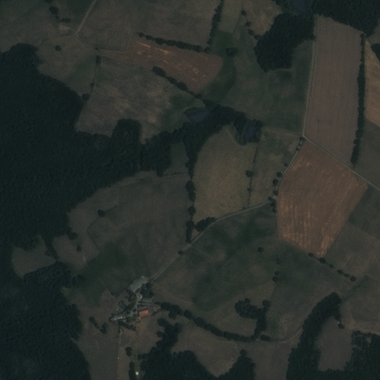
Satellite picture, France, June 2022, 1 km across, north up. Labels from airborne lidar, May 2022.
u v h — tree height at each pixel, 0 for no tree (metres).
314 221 0
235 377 15
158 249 0
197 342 0
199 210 0
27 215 17
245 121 18
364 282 0
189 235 13
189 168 12
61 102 9
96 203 0
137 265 0
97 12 0
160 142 30
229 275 0
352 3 23
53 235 11
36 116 17
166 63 0
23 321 19
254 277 0
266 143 0
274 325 0
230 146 0
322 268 0
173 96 0
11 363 7
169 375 23
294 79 0
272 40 24
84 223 0
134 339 0
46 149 18
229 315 0
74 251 0
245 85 0
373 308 0
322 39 0
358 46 0
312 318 11
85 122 0
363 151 0
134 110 0
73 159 20
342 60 0
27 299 10
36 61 22
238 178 0
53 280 14
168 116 0
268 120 0
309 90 0
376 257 0
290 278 0
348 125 0
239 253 0
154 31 0
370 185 0
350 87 0
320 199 0
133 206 0
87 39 0
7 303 13
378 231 0
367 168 0
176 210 0
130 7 0
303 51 0
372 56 0
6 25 0
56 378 22
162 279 0
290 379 15
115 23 0
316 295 0
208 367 0
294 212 0
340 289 0
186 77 0
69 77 0
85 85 0
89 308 0
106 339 0
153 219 0
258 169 0
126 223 0
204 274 0
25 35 0
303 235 0
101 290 0
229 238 0
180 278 0
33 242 7
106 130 0
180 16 0
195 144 17
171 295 0
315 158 0
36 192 12
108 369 0
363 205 0
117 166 23
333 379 14
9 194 16
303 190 0
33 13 0
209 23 0
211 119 22
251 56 0
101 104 0
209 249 0
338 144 0
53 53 0
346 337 0
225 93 0
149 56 0
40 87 20
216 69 0
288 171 0
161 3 0
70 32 0
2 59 14
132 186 0
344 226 0
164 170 18
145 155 22
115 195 0
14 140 16
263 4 0
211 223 10
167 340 29
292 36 25
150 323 0
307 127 0
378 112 0
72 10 0
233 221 0
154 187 0
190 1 0
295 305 0
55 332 18
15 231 16
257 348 0
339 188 0
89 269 0
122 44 0
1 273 17
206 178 0
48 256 7
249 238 0
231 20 0
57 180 15
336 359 0
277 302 0
